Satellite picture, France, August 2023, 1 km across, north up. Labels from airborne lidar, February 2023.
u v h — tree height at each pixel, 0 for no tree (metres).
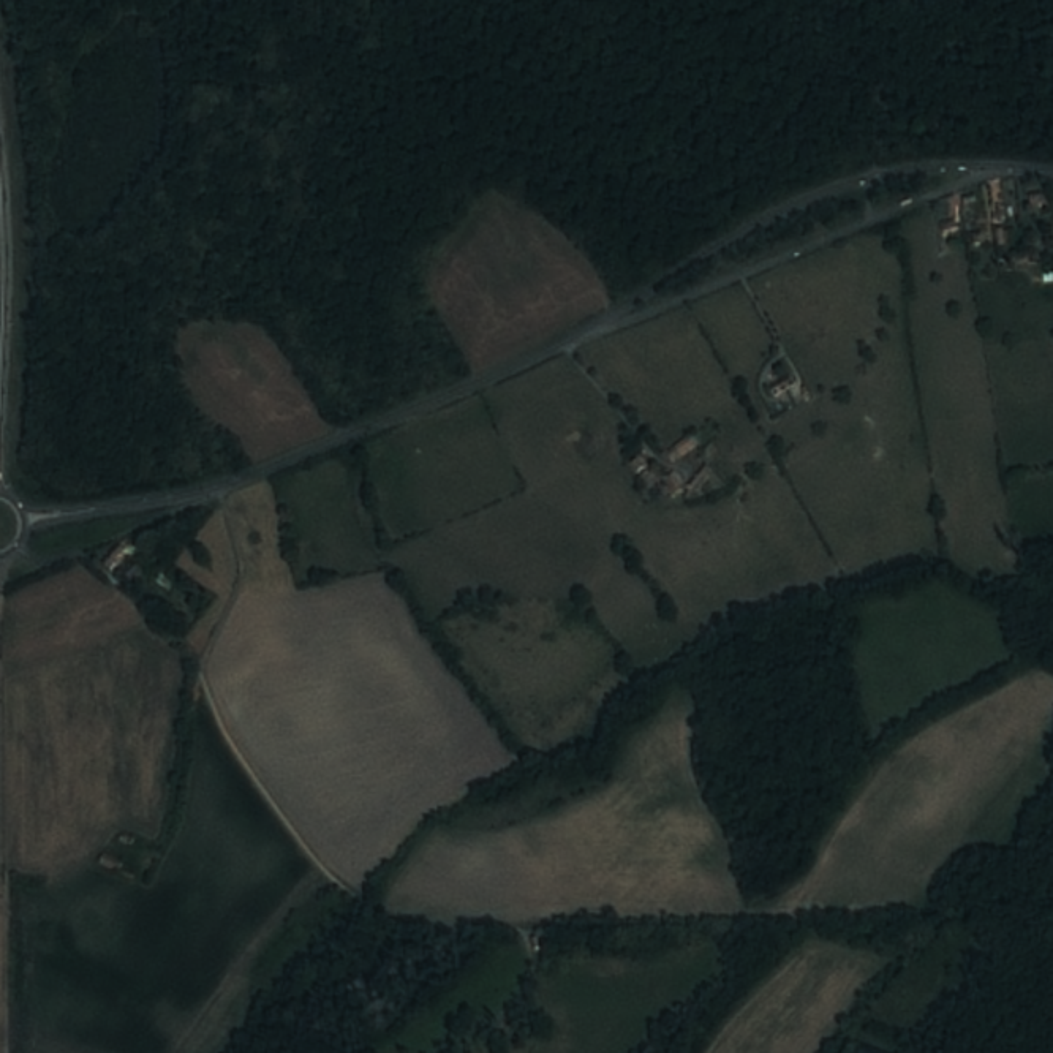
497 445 0
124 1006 0
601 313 0
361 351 16
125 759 0
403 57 23
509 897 0
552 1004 0
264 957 0
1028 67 26
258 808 0
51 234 13
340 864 0
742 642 24
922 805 0
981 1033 27
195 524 19
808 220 11
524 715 0
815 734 24
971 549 0
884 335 12
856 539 0
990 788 0
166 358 19
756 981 8
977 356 0
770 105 23
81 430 22
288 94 16
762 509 0
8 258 0
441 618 5
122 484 17
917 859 0
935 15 22
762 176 8
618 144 25
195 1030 0
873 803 0
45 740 0
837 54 23
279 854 0
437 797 0
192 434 16
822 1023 0
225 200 19
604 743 20
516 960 0
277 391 0
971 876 16
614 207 21
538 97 23
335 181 15
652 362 0
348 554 0
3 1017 0
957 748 0
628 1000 0
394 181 23
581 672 0
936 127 24
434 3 13
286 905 0
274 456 0
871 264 0
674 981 0
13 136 0
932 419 0
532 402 0
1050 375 0
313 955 10
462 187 13
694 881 0
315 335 20
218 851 0
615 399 10
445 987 23
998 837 0
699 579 0
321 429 0
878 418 0
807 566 0
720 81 24
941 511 14
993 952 25
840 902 0
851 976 0
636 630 0
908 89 25
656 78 19
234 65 22
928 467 0
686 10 25
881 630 0
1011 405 0
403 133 25
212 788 0
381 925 24
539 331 0
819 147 22
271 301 19
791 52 21
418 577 0
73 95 13
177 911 0
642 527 0
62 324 17
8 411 0
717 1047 0
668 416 0
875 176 0
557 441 0
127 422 18
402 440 0
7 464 0
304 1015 7
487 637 0
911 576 31
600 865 0
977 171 0
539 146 23
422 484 0
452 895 0
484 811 0
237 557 0
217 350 0
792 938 17
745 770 20
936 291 0
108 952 0
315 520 0
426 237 20
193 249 18
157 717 0
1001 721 0
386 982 15
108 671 0
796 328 0
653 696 18
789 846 20
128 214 19
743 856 16
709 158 25
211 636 0
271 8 23
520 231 0
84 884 0
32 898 0
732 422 0
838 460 0
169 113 18
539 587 0
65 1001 0
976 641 0
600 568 0
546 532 0
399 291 17
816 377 0
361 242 21
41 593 0
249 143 14
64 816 0
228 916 0
